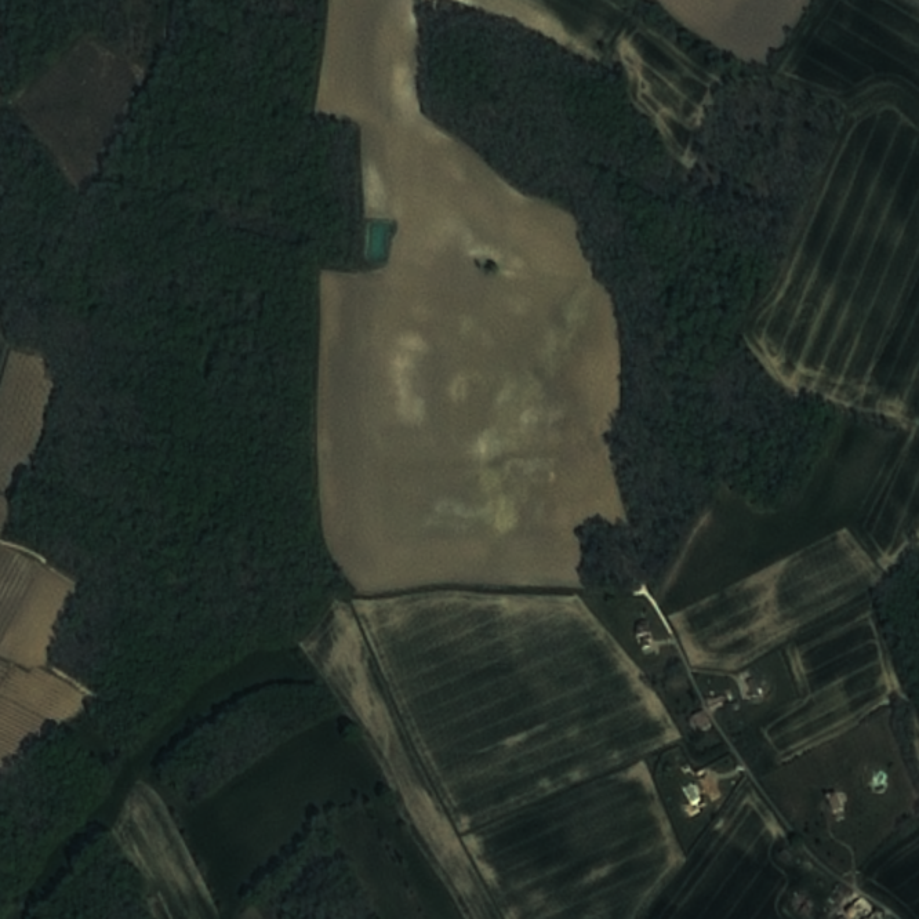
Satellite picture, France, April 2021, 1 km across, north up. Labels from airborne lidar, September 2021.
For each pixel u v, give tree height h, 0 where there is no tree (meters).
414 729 0
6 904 18
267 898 21
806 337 0
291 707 14
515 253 0
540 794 0
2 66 16
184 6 11
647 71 0
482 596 0
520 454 0
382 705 0
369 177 0
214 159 20
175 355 22
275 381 22
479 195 0
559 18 0
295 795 0
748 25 0
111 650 21
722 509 0
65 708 0
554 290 0
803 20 7
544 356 0
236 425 23
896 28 0
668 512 17
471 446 0
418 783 0
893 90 0
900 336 0
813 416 25
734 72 17
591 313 0
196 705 0
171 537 12
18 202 24
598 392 0
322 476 0
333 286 0
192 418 25
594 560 16
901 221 0
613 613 0
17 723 0
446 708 0
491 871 0
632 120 20
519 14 0
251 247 19
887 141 0
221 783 15
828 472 0
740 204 17
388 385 0
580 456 0
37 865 21
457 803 0
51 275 18
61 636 19
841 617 0
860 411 0
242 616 17
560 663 0
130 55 8
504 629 0
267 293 17
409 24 0
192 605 16
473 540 0
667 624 0
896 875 0
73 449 18
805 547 0
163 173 23
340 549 0
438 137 0
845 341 0
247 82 21
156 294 23
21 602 0
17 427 0
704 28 0
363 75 0
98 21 13
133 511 16
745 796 0
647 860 0
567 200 13
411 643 0
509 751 0
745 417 19
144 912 18
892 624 14
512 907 0
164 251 24
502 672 0
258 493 23
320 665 0
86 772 22
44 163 19
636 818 0
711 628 0
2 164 24
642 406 17
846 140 0
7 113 12
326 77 0
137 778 0
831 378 0
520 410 0
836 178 0
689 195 20
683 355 23
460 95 18
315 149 20
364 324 0
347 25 0
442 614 0
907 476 0
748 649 0
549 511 0
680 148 0
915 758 15
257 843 0
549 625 0
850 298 0
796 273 0
